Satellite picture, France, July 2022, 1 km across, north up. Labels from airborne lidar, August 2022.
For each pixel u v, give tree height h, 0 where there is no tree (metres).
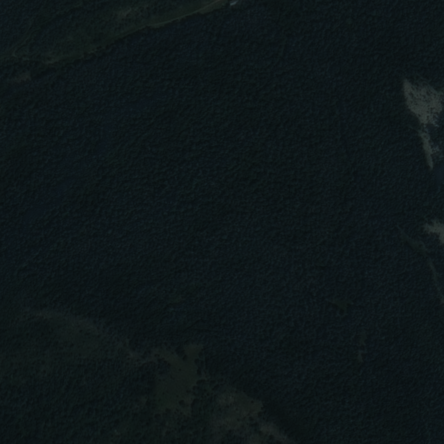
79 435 20
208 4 0
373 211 27
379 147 20
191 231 23
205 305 16
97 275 26
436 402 9
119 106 13
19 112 9
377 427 26
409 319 16
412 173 20
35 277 19
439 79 9
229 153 25
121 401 17
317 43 21
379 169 21
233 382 11
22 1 10
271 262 22
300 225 23
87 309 11
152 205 23
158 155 19
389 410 19
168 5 15
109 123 9
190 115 20
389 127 20
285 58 18
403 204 18
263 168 21
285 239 21
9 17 26
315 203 18
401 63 18
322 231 18
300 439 10
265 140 23
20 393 20
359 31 17
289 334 16
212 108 19
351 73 25
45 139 17
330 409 18
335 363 23
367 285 22
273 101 25
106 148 12
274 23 16
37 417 18
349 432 17
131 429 7
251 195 15
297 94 16
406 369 23
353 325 17
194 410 12
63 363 10
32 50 13
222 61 18
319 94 19
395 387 21
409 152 20
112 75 20
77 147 18
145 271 17
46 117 19
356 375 19
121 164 21
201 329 19
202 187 13
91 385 8
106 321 8
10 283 13
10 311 9
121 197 13
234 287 26
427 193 20
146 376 13
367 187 27
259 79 19
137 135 14
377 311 21
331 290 34
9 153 17
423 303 22
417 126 12
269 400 19
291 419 20
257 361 19
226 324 22
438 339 19
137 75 15
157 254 21
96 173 20
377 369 21
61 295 19
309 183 20
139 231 15
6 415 20
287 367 25
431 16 16
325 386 25
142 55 21
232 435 14
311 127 24
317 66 25
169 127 11
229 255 21
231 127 23
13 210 22
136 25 10
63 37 8
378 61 17
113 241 20
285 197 16
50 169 22
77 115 14
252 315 27
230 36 22
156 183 22
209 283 23
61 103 13
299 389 21
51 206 19
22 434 11
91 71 19
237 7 10
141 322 20
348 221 26
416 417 19
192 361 0
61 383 15
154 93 13
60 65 6
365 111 22
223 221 26
